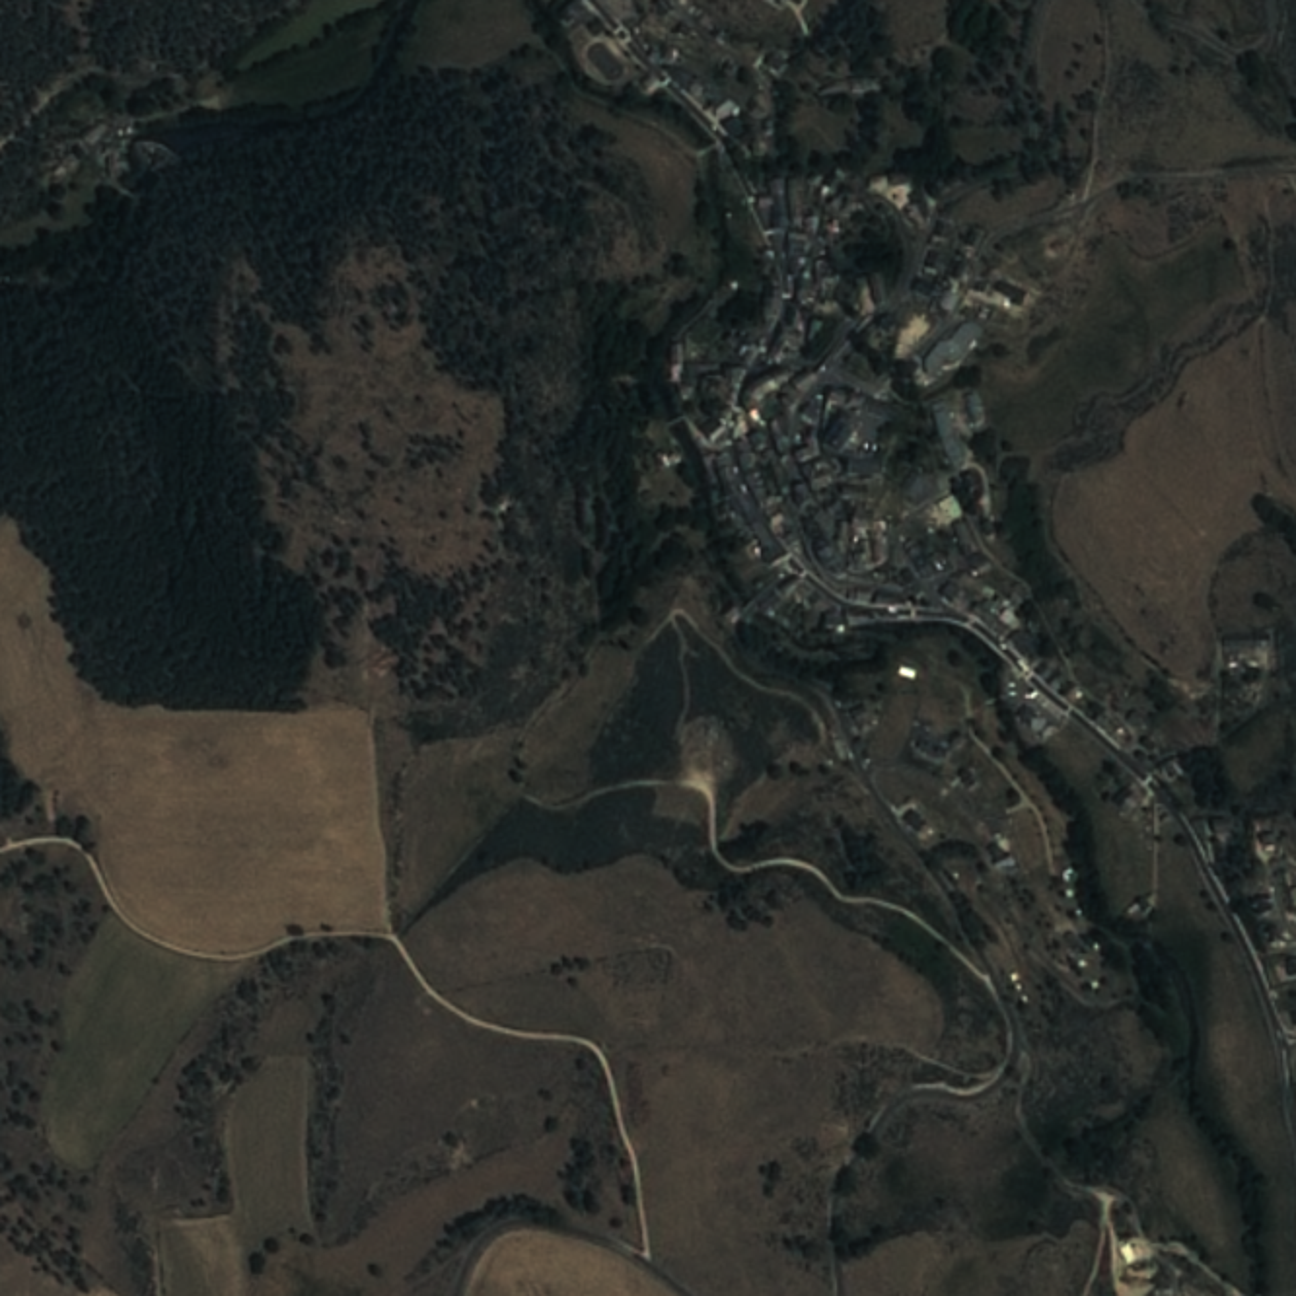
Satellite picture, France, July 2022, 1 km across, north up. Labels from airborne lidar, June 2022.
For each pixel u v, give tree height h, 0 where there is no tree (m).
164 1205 0
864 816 0
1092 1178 8
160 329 16
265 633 16
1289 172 0
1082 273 0
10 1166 8
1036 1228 9
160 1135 0
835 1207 0
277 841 0
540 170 8
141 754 0
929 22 0
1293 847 0
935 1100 0
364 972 0
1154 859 0
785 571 0
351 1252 0
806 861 0
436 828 0
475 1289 0
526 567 14
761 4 0
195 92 7
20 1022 0
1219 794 14
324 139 9
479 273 21
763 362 6
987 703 0
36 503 14
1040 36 0
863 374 0
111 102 28
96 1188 0
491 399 0
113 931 0
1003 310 0
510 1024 0
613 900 0
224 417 19
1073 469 0
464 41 0
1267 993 0
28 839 0
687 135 0
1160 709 11
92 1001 0
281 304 13
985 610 0
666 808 0
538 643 0
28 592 0
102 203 12
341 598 15
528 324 0
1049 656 11
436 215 12
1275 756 0
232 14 8
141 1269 0
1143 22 0
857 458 0
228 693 15
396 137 12
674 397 28
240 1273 0
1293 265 0
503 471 9
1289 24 0
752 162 10
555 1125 10
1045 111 8
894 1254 0
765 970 0
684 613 0
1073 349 0
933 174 9
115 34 15
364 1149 0
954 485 8
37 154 12
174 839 0
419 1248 0
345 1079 0
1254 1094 0
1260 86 10
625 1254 0
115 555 16
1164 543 0
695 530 12
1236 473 0
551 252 9
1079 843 14
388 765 0
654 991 0
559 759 0
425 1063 0
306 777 0
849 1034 0
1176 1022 0
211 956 0
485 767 0
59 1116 0
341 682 0
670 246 0
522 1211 13
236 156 11
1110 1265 0
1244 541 0
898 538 0
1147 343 0
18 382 16
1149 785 0
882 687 11
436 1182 0
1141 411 0
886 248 12
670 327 6
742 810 0
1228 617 0
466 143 18
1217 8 0
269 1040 0
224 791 0
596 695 0
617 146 0
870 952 0
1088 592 0
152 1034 0
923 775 0
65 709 0
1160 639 0
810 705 0
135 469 9
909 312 0
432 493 0
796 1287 0
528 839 0
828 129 0
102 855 0
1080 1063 0
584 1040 0
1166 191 0
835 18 13
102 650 11
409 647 13
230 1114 0
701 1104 0
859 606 0
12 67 12
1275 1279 0
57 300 12
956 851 14
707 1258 0
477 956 0
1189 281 0
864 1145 15
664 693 0
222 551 20
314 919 0
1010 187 10
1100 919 17
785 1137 0
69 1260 10
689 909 0
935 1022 0
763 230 0
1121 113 0
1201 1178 0
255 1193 0
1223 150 0
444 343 19
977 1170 0
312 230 16
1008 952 0
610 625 17
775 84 9
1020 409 0
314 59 0
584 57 0
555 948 0
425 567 0
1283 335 0
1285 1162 0
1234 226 0
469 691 10
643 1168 0
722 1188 0
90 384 16
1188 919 0
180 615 19
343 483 0
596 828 0
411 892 0
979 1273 0
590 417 18
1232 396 0
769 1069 0
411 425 0
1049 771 16
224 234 17
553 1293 0
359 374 0
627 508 18
